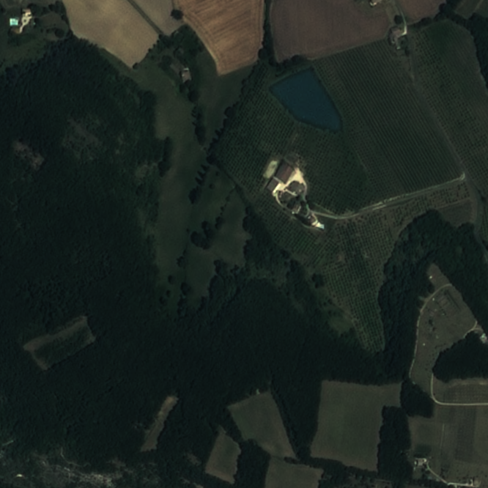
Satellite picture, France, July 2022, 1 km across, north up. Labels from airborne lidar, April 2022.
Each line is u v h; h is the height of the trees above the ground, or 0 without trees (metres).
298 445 12
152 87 0
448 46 0
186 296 17
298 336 12
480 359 13
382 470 11
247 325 12
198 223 0
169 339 18
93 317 17
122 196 11
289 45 0
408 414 13
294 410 16
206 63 0
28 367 16
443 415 0
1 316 14
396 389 0
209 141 0
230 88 0
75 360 18
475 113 0
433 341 0
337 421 0
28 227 14
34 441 14
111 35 0
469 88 0
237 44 0
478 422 0
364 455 0
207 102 0
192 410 20
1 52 0
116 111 10
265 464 11
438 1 0
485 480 0
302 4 0
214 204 0
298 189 0
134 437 17
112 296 15
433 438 0
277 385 14
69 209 14
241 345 15
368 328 6
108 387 16
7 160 12
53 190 12
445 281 0
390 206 0
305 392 17
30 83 10
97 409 19
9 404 7
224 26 0
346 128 0
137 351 20
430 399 12
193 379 21
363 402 0
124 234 20
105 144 7
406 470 13
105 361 19
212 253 0
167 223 0
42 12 6
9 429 6
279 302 12
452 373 13
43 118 12
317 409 12
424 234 11
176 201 0
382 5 0
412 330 11
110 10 0
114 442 13
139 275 16
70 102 12
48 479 0
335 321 0
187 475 6
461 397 0
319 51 0
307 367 16
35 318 21
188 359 17
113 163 7
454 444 0
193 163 0
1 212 12
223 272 13
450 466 0
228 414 13
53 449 7
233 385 18
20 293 18
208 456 11
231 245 0
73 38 17
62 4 6
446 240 8
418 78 0
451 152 0
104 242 11
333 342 14
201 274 0
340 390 0
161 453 13
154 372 20
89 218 9
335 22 0
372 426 0
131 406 18
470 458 0
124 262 14
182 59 6
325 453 0
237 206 0
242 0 0
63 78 18
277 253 6
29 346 0
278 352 13
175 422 10
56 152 14
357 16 0
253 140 6
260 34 0
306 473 0
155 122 7
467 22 13
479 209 0
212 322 11
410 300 15
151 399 18
